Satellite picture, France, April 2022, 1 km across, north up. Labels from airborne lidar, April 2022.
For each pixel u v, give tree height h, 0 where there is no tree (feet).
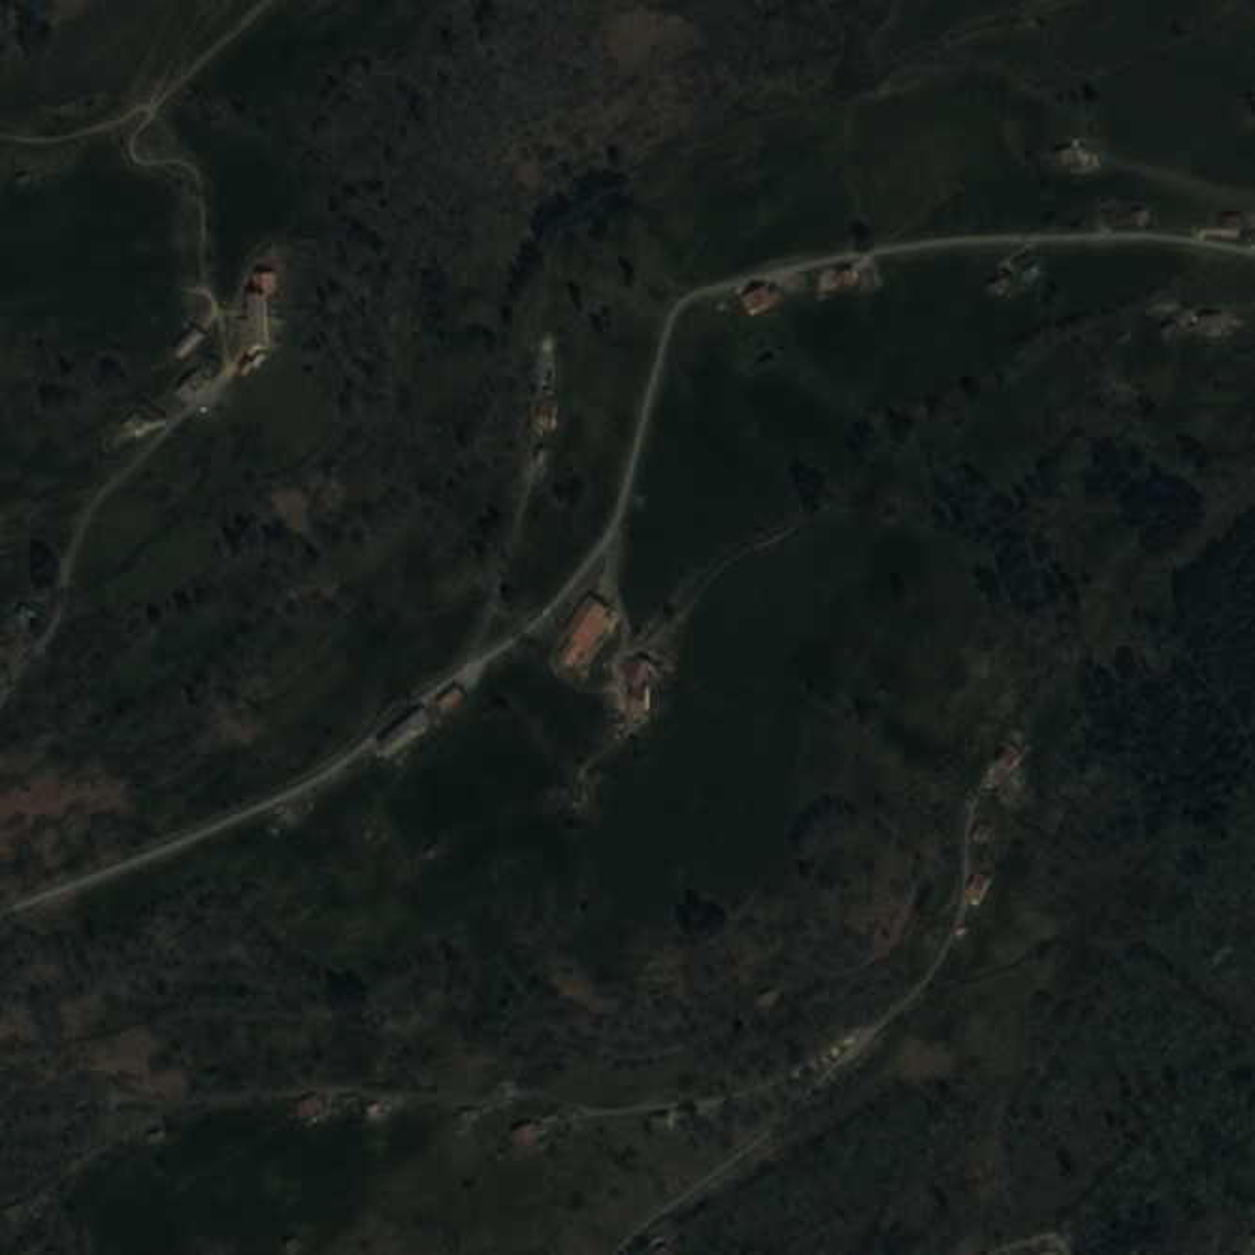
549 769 0
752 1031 22
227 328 0
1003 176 0
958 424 23
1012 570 108
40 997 89
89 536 0
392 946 0
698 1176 0
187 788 0
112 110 0
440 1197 0
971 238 0
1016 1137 28
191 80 0
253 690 0
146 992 23
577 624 0
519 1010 68
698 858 0
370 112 61
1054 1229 23
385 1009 77
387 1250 0
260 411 0
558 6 70
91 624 0
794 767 0
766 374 0
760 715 0
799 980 24
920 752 0
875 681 0
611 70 23
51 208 0
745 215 0
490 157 43
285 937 0
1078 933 0
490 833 0
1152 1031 45
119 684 0
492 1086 0
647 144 21
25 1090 25
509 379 49
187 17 0
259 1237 0
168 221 0
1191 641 96
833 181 0
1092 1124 73
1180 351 0
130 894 0
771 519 0
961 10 0
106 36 0
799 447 0
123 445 0
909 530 0
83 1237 61
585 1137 0
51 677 0
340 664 0
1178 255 0
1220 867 72
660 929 0
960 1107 73
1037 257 22
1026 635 26
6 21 64
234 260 0
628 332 0
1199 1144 67
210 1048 0
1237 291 0
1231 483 65
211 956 69
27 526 0
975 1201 57
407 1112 0
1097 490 100
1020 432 0
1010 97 0
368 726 0
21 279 0
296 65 0
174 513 0
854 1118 31
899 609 0
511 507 0
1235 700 98
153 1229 0
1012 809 0
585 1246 0
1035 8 0
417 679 0
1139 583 0
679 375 0
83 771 0
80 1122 17
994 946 0
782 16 54
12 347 0
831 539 0
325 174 0
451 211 60
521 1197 0
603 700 0
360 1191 0
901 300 0
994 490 86
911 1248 93
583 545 0
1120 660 0
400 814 0
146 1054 0
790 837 0
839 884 54
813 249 0
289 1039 0
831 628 0
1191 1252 67
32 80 0
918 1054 0
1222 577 105
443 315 99
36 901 0
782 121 0
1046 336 29
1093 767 97
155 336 0
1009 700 0
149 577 0
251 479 37
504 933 0
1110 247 0
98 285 0
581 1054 27
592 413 0
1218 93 0
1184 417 0
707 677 0
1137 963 75
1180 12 0
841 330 0
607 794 0
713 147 0
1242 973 43
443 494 62
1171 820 88
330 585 0
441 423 0
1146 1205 93
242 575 0
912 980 31
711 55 0
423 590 0
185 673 0
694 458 0
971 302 0
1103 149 0
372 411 73
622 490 0
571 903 0
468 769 0
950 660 0
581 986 0
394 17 0
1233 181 0
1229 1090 62
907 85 0
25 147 0
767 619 0
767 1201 85
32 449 0
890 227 0
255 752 0
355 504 0
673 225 0
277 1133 0
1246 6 0
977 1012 0
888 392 0
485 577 0
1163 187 0
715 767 0
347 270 61
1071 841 57
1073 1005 24
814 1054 33
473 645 0
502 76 68
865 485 0
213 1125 0
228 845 0
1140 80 0
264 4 0
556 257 0
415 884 0
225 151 0
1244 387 0
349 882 0
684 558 0
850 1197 32
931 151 0
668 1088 0
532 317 0
